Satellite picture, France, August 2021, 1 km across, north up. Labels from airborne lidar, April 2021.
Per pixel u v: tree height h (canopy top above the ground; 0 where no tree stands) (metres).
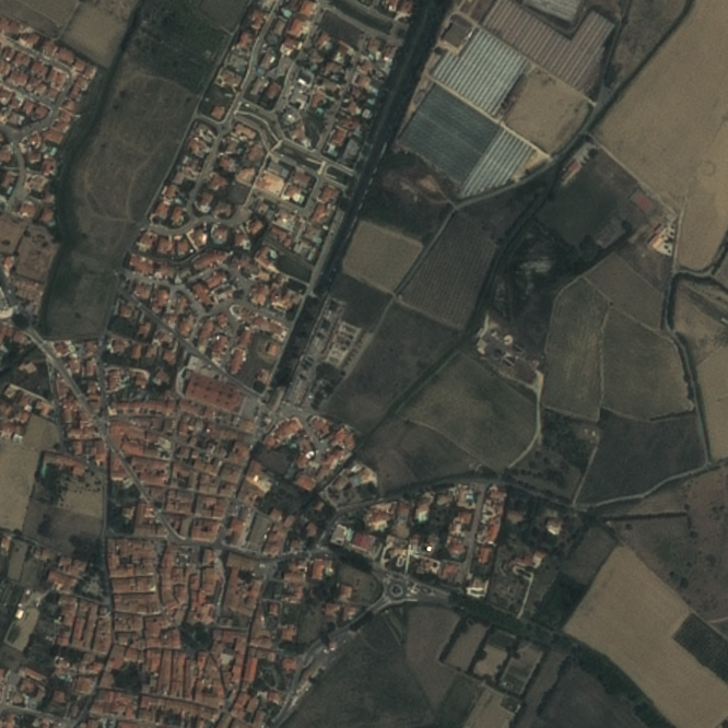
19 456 0
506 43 0
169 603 0
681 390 0
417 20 12
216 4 0
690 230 0
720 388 0
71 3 0
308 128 0
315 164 0
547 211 0
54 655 10
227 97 0
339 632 0
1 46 0
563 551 12
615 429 0
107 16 0
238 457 0
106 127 0
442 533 9
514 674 0
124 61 0
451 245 0
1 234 0
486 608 16
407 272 0
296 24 0
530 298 0
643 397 0
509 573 6
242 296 8
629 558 0
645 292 0
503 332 0
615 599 0
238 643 0
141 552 0
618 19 0
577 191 0
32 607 0
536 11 0
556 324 0
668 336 0
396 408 0
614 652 0
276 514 0
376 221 0
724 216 0
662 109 0
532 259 0
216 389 0
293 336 8
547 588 0
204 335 0
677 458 0
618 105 0
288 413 0
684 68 0
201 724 0
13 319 0
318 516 6
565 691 0
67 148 0
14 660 0
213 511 0
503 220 0
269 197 0
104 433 0
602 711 0
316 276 0
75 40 0
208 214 0
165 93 0
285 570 12
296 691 0
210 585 0
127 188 0
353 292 0
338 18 0
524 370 0
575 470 0
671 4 0
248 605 0
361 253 0
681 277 9
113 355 14
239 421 0
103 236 0
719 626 0
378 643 0
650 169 0
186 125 0
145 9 0
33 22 0
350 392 0
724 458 0
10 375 15
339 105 0
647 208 0
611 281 0
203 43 0
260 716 0
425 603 0
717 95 0
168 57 0
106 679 0
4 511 0
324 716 0
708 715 0
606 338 0
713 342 0
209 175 0
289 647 10
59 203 0
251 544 0
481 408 0
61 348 0
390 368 0
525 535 9
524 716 9
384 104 12
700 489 0
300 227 0
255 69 0
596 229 0
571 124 0
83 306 0
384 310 0
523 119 0
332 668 0
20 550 0
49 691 8
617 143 0
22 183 0
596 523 8
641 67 0
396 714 0
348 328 0
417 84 8
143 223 0
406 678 0
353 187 9
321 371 6
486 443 0
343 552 18
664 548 0
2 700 0
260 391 7
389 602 0
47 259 0
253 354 0
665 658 0
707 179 0
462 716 0
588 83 0
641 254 0
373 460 0
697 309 0
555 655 0
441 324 0
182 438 0
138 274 0
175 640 0
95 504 0
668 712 0
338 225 0
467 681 0
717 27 0
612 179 0
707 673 0
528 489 11
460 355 0
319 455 0
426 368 0
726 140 0
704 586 0
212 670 0
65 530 0
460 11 0
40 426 0
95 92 0
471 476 6
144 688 0
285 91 0
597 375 0
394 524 16
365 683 0
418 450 0
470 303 0
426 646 0
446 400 0
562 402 0
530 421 0
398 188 0
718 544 0
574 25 0
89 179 0
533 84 0
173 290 0
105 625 0
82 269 0
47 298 0
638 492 0
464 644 0
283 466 0
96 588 0
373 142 8
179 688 0
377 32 0
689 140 0
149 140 0
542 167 0
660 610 0
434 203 0
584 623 0
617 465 0
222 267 0
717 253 0
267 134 0
